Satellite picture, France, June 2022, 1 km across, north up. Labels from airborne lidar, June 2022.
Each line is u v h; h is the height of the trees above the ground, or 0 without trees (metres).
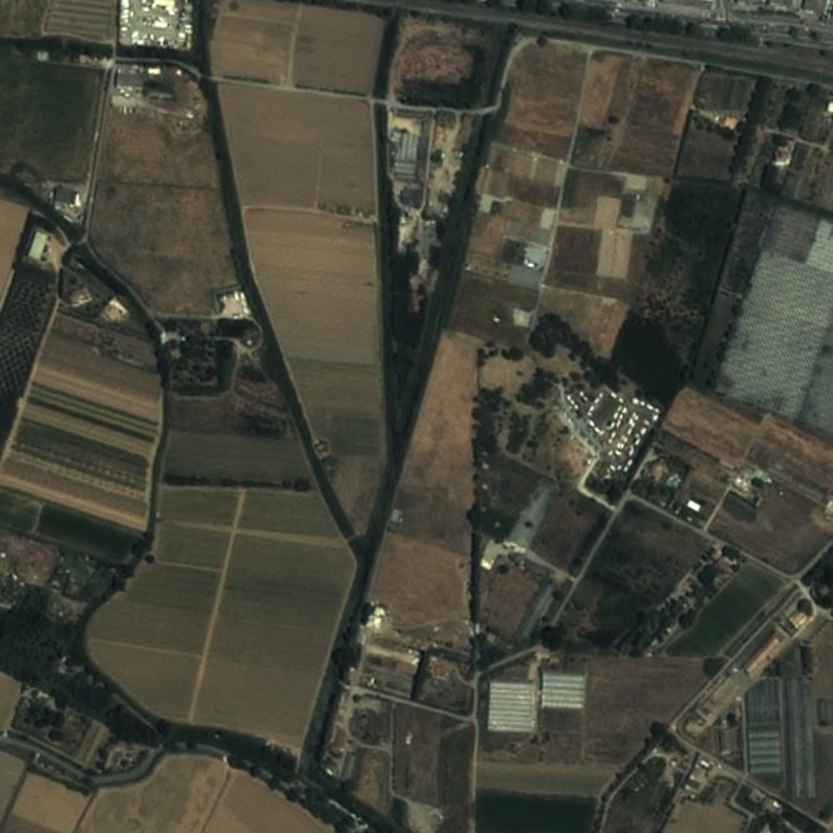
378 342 0
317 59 0
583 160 0
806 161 0
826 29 0
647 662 0
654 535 0
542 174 0
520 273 0
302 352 0
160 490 0
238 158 0
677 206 6
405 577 0
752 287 8
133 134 0
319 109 0
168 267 0
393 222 10
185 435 0
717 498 0
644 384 8
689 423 0
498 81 0
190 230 0
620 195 0
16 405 7
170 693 0
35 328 6
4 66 0
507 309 0
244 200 0
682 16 0
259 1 0
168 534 0
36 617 12
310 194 0
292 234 0
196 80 6
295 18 0
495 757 0
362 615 6
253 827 0
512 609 0
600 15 21
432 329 0
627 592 8
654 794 0
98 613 0
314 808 16
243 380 0
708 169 0
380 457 0
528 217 0
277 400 0
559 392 0
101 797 0
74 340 0
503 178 0
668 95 0
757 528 0
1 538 0
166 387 10
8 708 0
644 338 8
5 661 9
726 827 0
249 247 0
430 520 0
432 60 0
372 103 0
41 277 8
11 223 0
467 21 6
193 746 9
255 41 0
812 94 12
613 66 0
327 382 0
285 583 0
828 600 13
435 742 0
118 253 0
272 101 0
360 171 0
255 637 0
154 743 12
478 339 0
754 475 0
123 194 0
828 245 0
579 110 0
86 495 0
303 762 0
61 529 0
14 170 0
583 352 11
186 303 0
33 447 0
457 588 0
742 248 0
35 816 0
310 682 0
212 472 0
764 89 12
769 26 0
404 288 10
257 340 0
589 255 0
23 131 0
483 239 0
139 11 0
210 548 0
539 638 9
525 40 0
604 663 0
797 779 0
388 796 0
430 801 0
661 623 10
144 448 0
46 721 10
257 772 14
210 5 0
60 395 0
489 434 9
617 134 0
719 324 0
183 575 0
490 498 0
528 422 6
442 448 0
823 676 0
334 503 0
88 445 0
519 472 0
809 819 9
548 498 0
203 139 0
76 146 0
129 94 0
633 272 0
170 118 0
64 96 0
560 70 0
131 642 0
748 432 0
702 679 0
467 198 0
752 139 9
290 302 0
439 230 8
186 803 0
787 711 0
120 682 0
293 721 0
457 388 0
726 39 21
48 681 10
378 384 0
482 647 11
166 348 6
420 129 0
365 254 0
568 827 0
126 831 0
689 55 6
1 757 0
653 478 7
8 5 0
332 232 0
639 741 0
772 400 0
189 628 0
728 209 0
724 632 0
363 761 0
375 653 0
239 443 0
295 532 0
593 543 9
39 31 0
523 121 0
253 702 0
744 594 0
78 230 6
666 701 0
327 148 0
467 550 0
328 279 0
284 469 0
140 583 0
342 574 0
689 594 7
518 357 13
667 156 0
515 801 0
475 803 0
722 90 0
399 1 0
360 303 0
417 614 0
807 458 0
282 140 0
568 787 0
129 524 0
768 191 10
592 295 0
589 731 0
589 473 0
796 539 0
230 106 0
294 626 0
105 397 0
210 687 0
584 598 0
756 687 0
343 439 0
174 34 0
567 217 0
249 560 0
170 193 0
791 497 0
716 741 0
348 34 0
